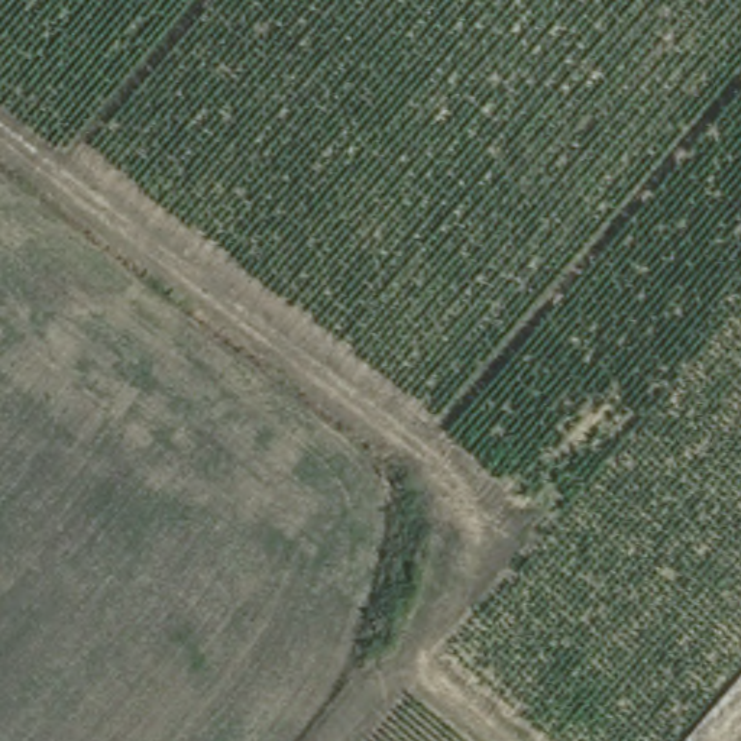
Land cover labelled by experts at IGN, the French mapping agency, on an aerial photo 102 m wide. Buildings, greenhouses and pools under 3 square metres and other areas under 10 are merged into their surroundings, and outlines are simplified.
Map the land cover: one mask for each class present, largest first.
<instances>
[{"label":"vineyard","instance_id":"1","mask_svg":"<svg viewBox=\"0 0 741 741\"><path fill-rule=\"evenodd\" d=\"M0 107L9 110V116L17 124L32 127L35 136L46 139L49 145L72 142L98 151L104 162L116 171H124L148 200L162 206L179 223L200 229L269 292L310 313L313 321L324 327L330 336L350 342L356 359L368 362L376 373H382L399 391L417 397L431 414H437L443 420V431L466 452H472L489 475H512L518 483V495L538 492L541 475H550L553 486L559 489L556 521L538 527L533 553L512 556V579L501 582L495 593H489L472 611L460 631L463 643L480 645L475 666L498 672L501 683L512 692L515 700H521V718L538 727V735L544 741H692L695 727L718 706V700L741 677V0H0Z\"/></svg>","mask_w":741,"mask_h":741},{"label":"agricultural land","instance_id":"2","mask_svg":"<svg viewBox=\"0 0 741 741\"><path fill-rule=\"evenodd\" d=\"M136 249L124 237L104 229L87 211L75 208L49 179H38L35 174L12 168L0 159V741H295L304 724L327 698L347 657L356 640L362 605L371 596V573L376 567L379 544L385 535L382 507L391 501V480L373 475V460L394 457L397 452V446L379 437L371 425L350 417L324 391L298 382V376L269 347L252 342L249 347H240L220 330L208 327V321L197 318L191 310L188 289L168 287L153 272L136 266Z\"/></svg>","mask_w":741,"mask_h":741},{"label":"herbaceous vegetation","instance_id":"3","mask_svg":"<svg viewBox=\"0 0 741 741\"><path fill-rule=\"evenodd\" d=\"M0 159L12 168L35 174L38 179H49L75 208L87 211L104 229L124 237L136 249V266L153 272L168 287L188 289L191 310L197 318L208 321V327L220 330L240 347H249L252 342L269 347L298 376V382L324 391L350 417L371 425L379 437L397 446V452L420 463V472L434 498L428 512V538L420 544L414 559L417 590L408 611L397 614V637L388 651L371 654L362 666H356L347 657L327 698L304 724L295 741H544L538 735V727L521 718V700H515L512 692L501 683L498 672L475 666L480 645L463 643L460 631L472 611L489 593H495L501 582L512 579V556L533 553L538 527L556 521L559 489L553 486L550 475H541L538 492L518 495V483L512 475H489L472 452H466L443 431V420L437 414H431L417 397L399 391L382 373H376L368 362L356 359L350 342L330 336L324 327L313 321L310 313L269 292L200 229L179 223L162 206L148 200L124 171H116L104 162L98 151L72 142L49 145L46 139L35 136L32 127L17 124L9 116V110L0 107ZM692 741H741V677L718 700V706L695 727Z\"/></svg>","mask_w":741,"mask_h":741},{"label":"brushwood","instance_id":"4","mask_svg":"<svg viewBox=\"0 0 741 741\"><path fill-rule=\"evenodd\" d=\"M373 475L391 480V501L382 507L385 535L379 544L376 567L371 573V596L362 605L356 640L347 657L356 666H362L371 654L388 651L397 637V614L408 611L417 590L414 559L420 544L428 538V512L434 498L420 472V463L397 452L394 457L373 460Z\"/></svg>","mask_w":741,"mask_h":741}]
</instances>
